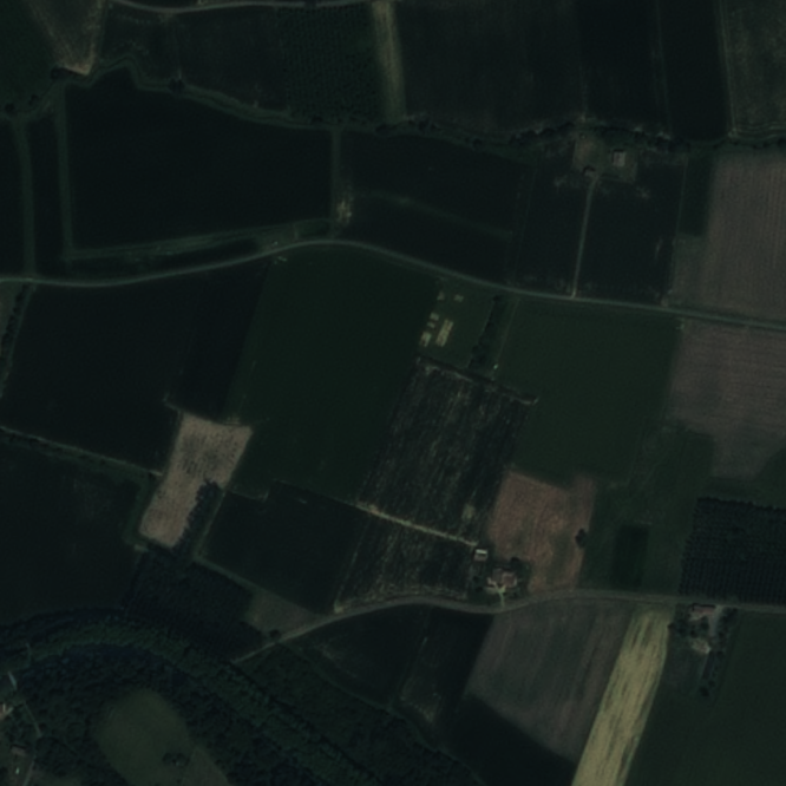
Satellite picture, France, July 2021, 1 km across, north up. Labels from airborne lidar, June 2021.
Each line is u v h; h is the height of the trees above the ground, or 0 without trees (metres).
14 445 10
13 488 0
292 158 0
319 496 0
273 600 0
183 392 0
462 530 0
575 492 0
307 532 0
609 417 0
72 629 32
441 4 0
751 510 16
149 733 0
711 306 0
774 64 0
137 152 0
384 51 0
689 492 0
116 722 0
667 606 0
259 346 0
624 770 0
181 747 0
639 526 0
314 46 9
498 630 0
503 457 0
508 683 0
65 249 0
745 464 0
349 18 9
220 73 0
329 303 0
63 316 0
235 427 0
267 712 37
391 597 0
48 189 0
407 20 0
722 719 0
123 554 0
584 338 0
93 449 0
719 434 0
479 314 0
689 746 0
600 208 0
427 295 0
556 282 0
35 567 0
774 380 0
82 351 0
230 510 0
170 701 10
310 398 0
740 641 0
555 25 0
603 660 0
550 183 0
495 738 0
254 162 0
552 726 0
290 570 0
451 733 0
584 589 0
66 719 13
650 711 0
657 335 0
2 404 0
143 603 24
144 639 36
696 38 0
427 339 0
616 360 0
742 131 0
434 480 0
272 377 0
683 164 0
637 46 0
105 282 0
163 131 0
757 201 0
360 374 0
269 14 0
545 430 0
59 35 0
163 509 0
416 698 0
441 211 0
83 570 0
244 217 0
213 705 8
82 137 0
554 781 0
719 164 0
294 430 0
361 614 0
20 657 37
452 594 0
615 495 0
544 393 0
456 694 0
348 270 0
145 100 0
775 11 0
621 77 0
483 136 0
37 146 0
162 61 0
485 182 0
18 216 0
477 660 0
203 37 0
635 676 0
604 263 0
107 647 0
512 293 0
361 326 0
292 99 8
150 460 0
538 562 0
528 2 0
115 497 0
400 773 8
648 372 0
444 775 9
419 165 0
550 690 0
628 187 0
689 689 0
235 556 0
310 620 0
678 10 0
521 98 0
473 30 0
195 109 0
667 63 0
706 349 0
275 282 0
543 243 0
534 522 0
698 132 0
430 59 0
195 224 0
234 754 10
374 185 0
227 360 0
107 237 0
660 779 0
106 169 0
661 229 0
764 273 0
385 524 0
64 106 0
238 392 0
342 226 0
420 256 0
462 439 0
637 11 0
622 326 0
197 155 0
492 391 0
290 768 22
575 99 0
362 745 30
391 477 0
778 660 0
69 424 0
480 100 0
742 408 0
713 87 0
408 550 0
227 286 0
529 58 0
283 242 0
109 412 0
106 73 0
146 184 0
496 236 0
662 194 0
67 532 0
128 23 0
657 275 0
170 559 25
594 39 0
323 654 0
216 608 26
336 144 0
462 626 0
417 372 0
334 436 0
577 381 0
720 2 0
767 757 0
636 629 0
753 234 0
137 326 0
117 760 0
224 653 33
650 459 0
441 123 0
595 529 0
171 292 0
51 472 0
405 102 0
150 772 0
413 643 0
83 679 26
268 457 0
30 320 0
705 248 0
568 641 0
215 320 0
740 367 0
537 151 0
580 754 0
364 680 0
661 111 0
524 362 0
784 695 0
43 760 9
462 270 0
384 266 0
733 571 14
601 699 0
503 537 0
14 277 0
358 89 8
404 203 0
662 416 0
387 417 0
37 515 0
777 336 0
